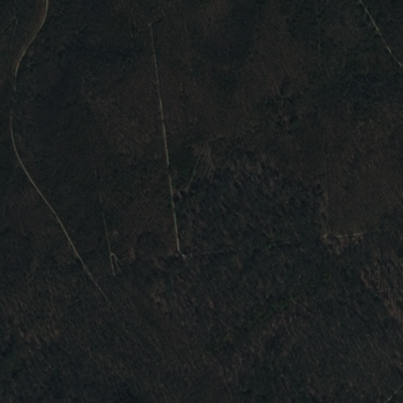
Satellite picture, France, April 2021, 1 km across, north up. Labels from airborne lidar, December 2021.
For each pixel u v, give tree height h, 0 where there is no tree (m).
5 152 10
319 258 36
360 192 15
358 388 31
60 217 7
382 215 16
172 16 14
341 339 29
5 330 30
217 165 8
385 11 14
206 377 27
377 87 24
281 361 22
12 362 32
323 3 17
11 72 11
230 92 9
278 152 9
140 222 10
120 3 14
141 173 12
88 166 11
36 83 12
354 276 26
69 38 11
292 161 13
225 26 19
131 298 16
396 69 17
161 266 21
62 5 13
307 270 34
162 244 11
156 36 9
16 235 15
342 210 15
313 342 28
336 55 16
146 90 13
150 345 26
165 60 15
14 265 20
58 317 22
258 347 33
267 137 12
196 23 16
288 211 32
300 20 9
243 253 32
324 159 11
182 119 12
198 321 31
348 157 14
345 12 25
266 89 16
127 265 13
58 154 10
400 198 17
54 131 12
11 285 18
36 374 33
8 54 15
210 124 15
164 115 13
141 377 25
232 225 37
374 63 16
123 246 8
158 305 10
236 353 33
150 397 22
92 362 24
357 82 23
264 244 32
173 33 14
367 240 21
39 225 14
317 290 36
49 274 22
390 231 26
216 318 32
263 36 13
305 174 11
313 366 22
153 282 29
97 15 11
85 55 15
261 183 35
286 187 27
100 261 16
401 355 34
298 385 35
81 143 9
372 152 18
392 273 31
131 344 28
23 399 37
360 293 33
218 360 30
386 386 32
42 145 17
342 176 13
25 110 21
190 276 34
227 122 15
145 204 7
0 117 19
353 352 31
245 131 11
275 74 15
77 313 28
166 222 7
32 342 10
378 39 16
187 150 7
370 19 24
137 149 12
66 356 27
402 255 24
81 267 28
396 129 14
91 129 10
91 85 14
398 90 24
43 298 23
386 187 14
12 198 15
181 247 9
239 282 31
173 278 32
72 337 23
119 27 11
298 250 36
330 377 30
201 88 13
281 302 24
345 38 22
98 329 28
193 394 20
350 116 21
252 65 14
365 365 31
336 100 17
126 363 23
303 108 11
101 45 10
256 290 32
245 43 15
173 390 22
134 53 15
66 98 11
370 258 21
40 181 8
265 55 14
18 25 8
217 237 30
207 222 35
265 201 33
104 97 13
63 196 15
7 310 26
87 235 13
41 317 25
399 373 33
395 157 16
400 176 13
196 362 23
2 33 9
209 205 33
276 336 31
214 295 33
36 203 11
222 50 20
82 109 7
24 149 14
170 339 13
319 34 13
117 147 12
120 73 12
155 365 30
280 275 34
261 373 32
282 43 16
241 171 7
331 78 23
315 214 32
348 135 20
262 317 24
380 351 32
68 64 12
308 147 10
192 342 15
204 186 32
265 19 12
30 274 21
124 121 13
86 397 30
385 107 24
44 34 8
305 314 31
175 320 18
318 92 19
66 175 15
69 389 36
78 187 15
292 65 14
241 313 32
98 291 22
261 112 13
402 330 33
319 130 9
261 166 30
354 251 24
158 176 10
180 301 30
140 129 13
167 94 13
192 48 10
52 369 35
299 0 12
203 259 36
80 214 10
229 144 10
